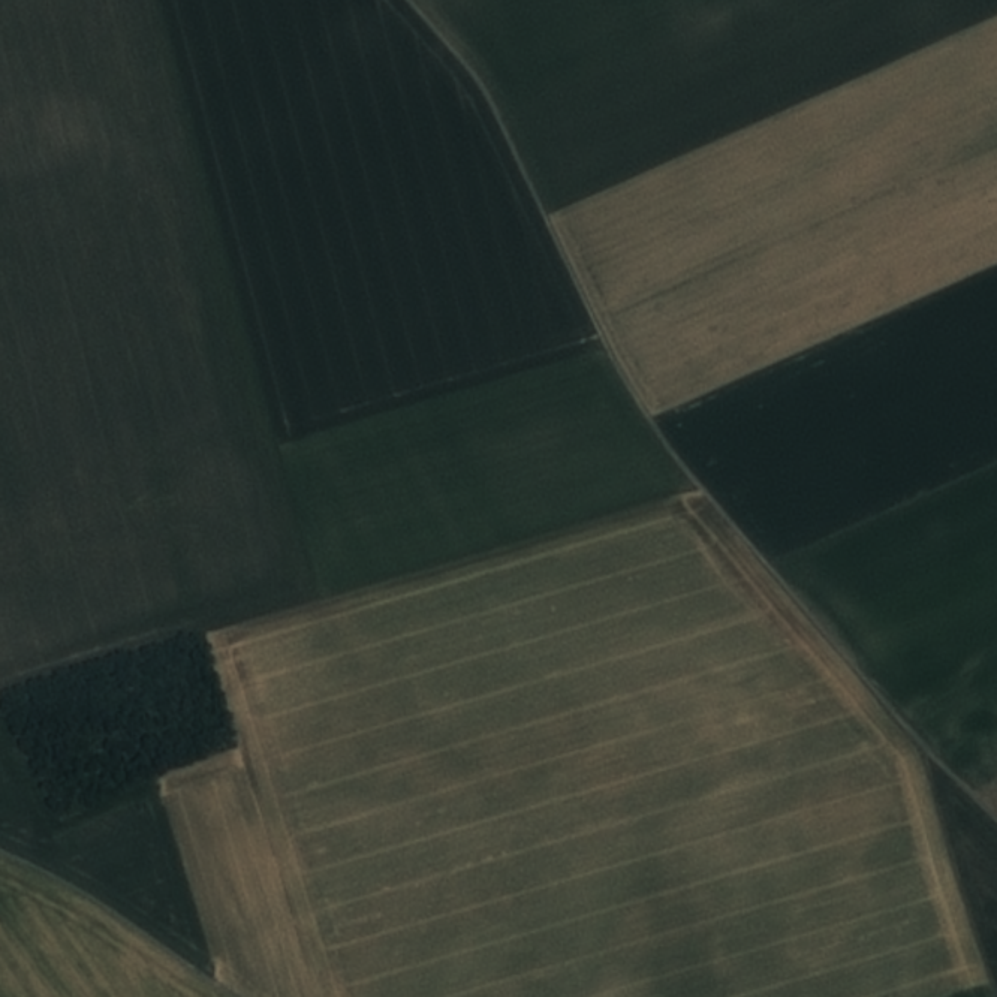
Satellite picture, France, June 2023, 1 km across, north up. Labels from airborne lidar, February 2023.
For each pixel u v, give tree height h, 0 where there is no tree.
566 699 0
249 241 0
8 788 0
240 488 0
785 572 0
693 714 0
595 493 0
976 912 0
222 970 0
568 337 0
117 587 0
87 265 0
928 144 0
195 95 0
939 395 0
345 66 0
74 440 0
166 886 0
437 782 0
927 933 0
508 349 0
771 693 0
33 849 0
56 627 0
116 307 0
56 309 0
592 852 0
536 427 0
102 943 0
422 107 0
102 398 0
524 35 0
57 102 0
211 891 0
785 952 0
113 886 0
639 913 0
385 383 0
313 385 0
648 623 0
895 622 0
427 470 0
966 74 0
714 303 0
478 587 0
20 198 0
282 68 0
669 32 0
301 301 0
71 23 0
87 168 0
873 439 0
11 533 0
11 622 0
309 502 0
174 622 0
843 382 0
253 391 0
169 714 21
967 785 0
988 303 0
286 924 0
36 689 17
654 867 0
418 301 0
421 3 0
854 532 0
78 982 0
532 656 0
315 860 0
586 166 0
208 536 0
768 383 0
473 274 0
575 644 0
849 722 0
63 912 0
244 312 0
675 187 0
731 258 0
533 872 0
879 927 0
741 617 0
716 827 0
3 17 0
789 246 0
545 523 0
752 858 0
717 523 0
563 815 0
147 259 0
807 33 0
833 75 0
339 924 0
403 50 0
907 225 0
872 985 0
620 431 0
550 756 0
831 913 0
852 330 0
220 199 0
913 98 0
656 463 0
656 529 0
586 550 0
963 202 0
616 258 0
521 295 0
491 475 0
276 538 0
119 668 19
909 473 0
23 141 0
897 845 0
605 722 0
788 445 0
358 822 0
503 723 0
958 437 0
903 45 0
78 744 13
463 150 0
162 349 0
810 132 0
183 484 0
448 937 0
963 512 0
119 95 0
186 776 0
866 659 0
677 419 0
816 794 0
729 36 0
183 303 0
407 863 0
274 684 0
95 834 0
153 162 0
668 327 0
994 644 0
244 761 0
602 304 0
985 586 0
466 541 0
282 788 0
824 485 0
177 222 0
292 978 0
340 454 0
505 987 0
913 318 0
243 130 0
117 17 0
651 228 0
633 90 0
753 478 0
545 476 0
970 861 0
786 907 0
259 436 0
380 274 0
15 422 0
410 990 0
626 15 0
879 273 0
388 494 0
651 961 0
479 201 0
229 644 0
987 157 0
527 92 0
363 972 0
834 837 0
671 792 0
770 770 0
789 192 0
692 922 0
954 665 0
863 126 0
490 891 0
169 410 0
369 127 0
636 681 0
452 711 0
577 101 0
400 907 0
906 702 0
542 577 0
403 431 0
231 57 0
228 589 0
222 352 0
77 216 0
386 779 0
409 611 0
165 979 0
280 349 0
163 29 0
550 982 0
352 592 0
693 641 0
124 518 0
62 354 0
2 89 0
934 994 0
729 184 0
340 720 0
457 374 0
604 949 0
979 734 0
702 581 0
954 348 0
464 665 0
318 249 0
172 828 0
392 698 0
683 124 0
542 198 0
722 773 0
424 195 0
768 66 0
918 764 0
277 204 0
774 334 0
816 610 0
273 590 0
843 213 0
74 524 0
